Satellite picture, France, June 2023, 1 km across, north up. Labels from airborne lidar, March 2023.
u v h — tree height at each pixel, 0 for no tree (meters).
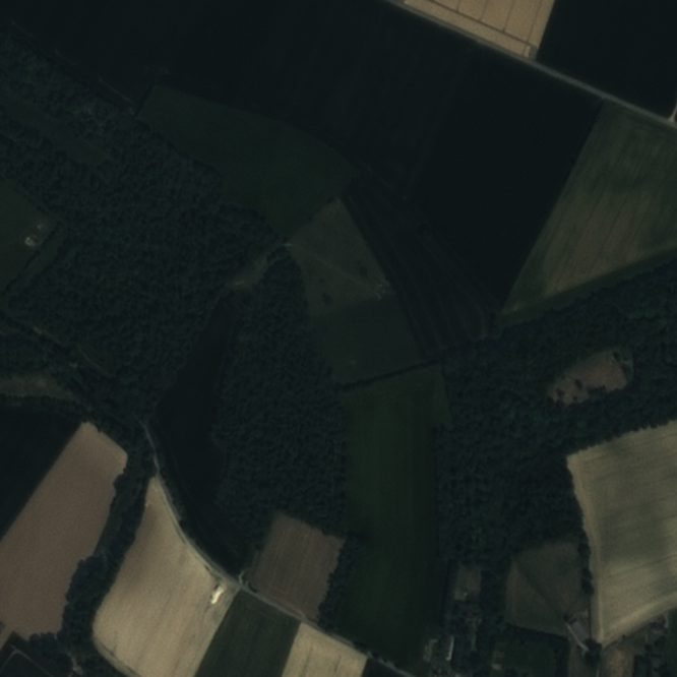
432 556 0
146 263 8
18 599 0
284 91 0
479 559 18
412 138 0
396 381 0
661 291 22
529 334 21
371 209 0
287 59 0
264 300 20
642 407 18
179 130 0
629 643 0
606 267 0
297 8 0
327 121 0
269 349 20
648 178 0
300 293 17
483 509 21
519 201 0
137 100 0
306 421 16
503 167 0
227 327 0
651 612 0
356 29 0
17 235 0
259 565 0
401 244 0
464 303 0
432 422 0
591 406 17
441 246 0
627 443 0
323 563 0
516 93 0
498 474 22
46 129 0
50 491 0
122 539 19
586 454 0
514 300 0
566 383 0
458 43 0
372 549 0
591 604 0
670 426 0
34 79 27
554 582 0
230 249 22
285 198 0
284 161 0
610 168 0
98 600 13
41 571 0
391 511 0
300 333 20
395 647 0
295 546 0
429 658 0
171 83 0
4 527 0
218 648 0
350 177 0
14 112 0
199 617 0
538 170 0
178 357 23
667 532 0
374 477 0
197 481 0
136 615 0
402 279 0
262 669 0
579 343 14
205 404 0
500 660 0
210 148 0
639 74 0
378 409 0
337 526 17
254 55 0
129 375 23
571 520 6
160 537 0
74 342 14
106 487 0
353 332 0
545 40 0
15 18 0
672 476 0
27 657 0
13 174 17
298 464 18
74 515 0
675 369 23
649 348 23
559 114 0
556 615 0
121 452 0
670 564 0
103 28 0
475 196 0
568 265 0
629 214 0
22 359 23
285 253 11
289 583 0
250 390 20
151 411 18
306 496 21
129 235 8
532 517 25
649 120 0
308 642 0
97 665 8
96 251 18
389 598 0
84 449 0
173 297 24
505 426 25
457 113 0
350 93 0
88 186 14
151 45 0
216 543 0
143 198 22
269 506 18
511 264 0
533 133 0
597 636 0
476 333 0
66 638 15
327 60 0
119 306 18
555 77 0
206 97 0
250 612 0
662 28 0
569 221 0
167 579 0
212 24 0
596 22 0
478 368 25
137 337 21
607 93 0
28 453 0
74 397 15
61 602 0
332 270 0
